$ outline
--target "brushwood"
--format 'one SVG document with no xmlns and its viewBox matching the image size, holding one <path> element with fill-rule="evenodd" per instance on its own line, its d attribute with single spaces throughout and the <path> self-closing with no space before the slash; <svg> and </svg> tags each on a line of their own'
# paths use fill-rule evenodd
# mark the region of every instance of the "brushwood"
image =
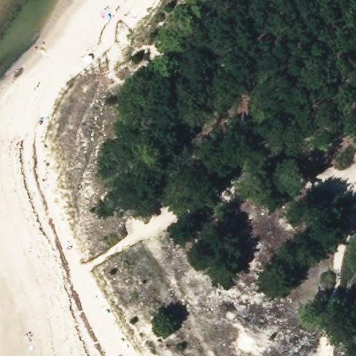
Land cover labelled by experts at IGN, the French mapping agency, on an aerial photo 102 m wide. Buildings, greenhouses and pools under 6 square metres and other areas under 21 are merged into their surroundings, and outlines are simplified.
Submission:
<svg viewBox="0 0 356 356">
<path fill-rule="evenodd" d="M 341 245 L 345 246 L 346 250 L 341 267 L 341 286 L 338 288 L 337 298 L 356 299 L 356 236 L 346 236 Z"/>
<path fill-rule="evenodd" d="M 323 174 L 318 161 L 325 153 L 335 153 L 331 168 L 337 170 L 349 168 L 356 157 L 356 114 L 332 121 L 332 127 L 325 125 L 314 129 L 313 133 L 305 138 L 302 145 L 303 154 L 296 157 L 295 163 L 307 182 L 311 181 L 311 177 Z"/>
</svg>

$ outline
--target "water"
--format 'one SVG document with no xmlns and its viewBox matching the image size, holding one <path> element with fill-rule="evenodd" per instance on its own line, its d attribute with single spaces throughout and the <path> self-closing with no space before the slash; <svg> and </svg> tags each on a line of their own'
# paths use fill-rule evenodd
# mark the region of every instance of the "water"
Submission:
<svg viewBox="0 0 356 356">
<path fill-rule="evenodd" d="M 38 42 L 40 32 L 57 0 L 0 0 L 0 82 L 6 78 L 7 71 L 13 64 Z"/>
</svg>

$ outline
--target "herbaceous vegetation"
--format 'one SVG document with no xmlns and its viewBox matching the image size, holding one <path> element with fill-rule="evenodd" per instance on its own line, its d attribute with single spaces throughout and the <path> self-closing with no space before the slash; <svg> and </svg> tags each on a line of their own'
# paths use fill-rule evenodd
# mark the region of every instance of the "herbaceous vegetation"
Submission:
<svg viewBox="0 0 356 356">
<path fill-rule="evenodd" d="M 250 261 L 249 273 L 239 273 L 238 282 L 235 282 L 232 288 L 243 295 L 260 293 L 257 284 L 264 264 L 277 254 L 277 250 L 288 239 L 293 238 L 296 232 L 303 232 L 306 229 L 306 222 L 291 225 L 286 221 L 289 207 L 286 204 L 282 204 L 275 211 L 270 211 L 266 207 L 256 206 L 252 199 L 246 199 L 241 204 L 241 210 L 248 213 L 252 224 L 252 235 L 257 236 L 260 242 L 257 243 L 253 260 Z"/>
<path fill-rule="evenodd" d="M 61 90 L 44 133 L 44 136 L 51 140 L 51 152 L 56 153 L 57 186 L 60 189 L 71 189 L 71 193 L 65 193 L 63 196 L 67 199 L 68 207 L 78 209 L 81 189 L 86 186 L 93 186 L 95 189 L 95 195 L 89 197 L 89 206 L 90 213 L 99 217 L 90 224 L 90 228 L 85 229 L 88 241 L 92 243 L 88 257 L 90 261 L 102 256 L 128 235 L 127 221 L 133 217 L 131 210 L 124 209 L 121 196 L 113 192 L 121 186 L 117 179 L 118 175 L 128 174 L 133 168 L 131 161 L 124 157 L 127 145 L 122 143 L 121 138 L 125 133 L 129 133 L 129 128 L 135 128 L 138 124 L 138 117 L 132 117 L 133 111 L 138 111 L 140 106 L 146 104 L 145 97 L 133 95 L 131 89 L 135 82 L 153 78 L 154 71 L 160 71 L 161 75 L 168 76 L 168 57 L 165 54 L 168 51 L 181 51 L 179 42 L 182 36 L 192 32 L 192 19 L 200 17 L 196 1 L 200 0 L 172 0 L 167 4 L 161 3 L 159 7 L 147 8 L 146 17 L 140 19 L 136 28 L 129 29 L 129 44 L 127 49 L 122 51 L 124 60 L 117 61 L 114 67 L 115 74 L 124 81 L 124 85 L 118 86 L 113 79 L 107 78 L 110 60 L 100 61 L 99 58 L 97 67 L 85 68 L 83 74 L 75 75 L 67 82 L 65 89 Z"/>
<path fill-rule="evenodd" d="M 330 259 L 321 260 L 316 267 L 311 267 L 307 273 L 307 280 L 293 288 L 286 298 L 268 300 L 264 295 L 259 305 L 242 300 L 239 306 L 245 306 L 245 310 L 232 311 L 239 323 L 249 328 L 253 334 L 260 334 L 264 328 L 271 325 L 278 327 L 277 331 L 270 335 L 270 341 L 278 342 L 280 345 L 277 349 L 271 348 L 270 352 L 264 350 L 264 356 L 332 356 L 334 346 L 328 341 L 327 332 L 320 325 L 307 323 L 302 316 L 305 314 L 307 303 L 316 311 L 325 311 L 327 306 L 334 309 L 334 299 L 337 298 L 338 288 L 335 286 L 334 254 Z"/>
</svg>

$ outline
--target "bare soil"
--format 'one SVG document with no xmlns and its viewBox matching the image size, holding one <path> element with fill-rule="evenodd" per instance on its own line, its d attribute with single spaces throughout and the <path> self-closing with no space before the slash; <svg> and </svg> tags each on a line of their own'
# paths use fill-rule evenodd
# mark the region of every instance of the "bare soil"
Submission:
<svg viewBox="0 0 356 356">
<path fill-rule="evenodd" d="M 93 186 L 86 186 L 81 189 L 78 209 L 68 207 L 67 199 L 63 196 L 65 193 L 71 193 L 71 189 L 60 189 L 57 186 L 56 153 L 51 152 L 51 140 L 44 136 L 44 133 L 61 90 L 65 89 L 67 82 L 75 75 L 83 74 L 85 68 L 97 67 L 99 58 L 100 61 L 110 60 L 107 78 L 113 79 L 118 86 L 124 85 L 124 81 L 115 74 L 114 67 L 117 61 L 124 60 L 122 51 L 127 49 L 129 44 L 129 29 L 136 28 L 140 19 L 146 17 L 147 8 L 159 7 L 161 3 L 167 4 L 172 0 L 57 0 L 40 32 L 38 42 L 13 64 L 7 71 L 6 78 L 0 82 L 0 356 L 264 356 L 264 350 L 270 352 L 271 348 L 277 349 L 280 345 L 278 342 L 270 341 L 270 335 L 277 331 L 278 327 L 271 325 L 264 328 L 260 334 L 253 334 L 249 328 L 239 323 L 232 311 L 245 310 L 245 306 L 239 306 L 242 300 L 259 305 L 264 295 L 260 293 L 243 295 L 232 288 L 216 288 L 211 284 L 209 275 L 196 271 L 191 266 L 186 253 L 199 243 L 196 238 L 179 246 L 167 234 L 167 229 L 159 232 L 159 242 L 164 254 L 159 260 L 154 259 L 152 252 L 146 248 L 142 239 L 139 239 L 127 249 L 111 254 L 95 267 L 90 261 L 88 257 L 92 243 L 88 241 L 85 229 L 90 228 L 90 224 L 99 217 L 90 213 L 89 206 L 89 197 L 95 195 L 95 189 Z M 174 327 L 174 334 L 168 337 L 154 335 L 153 314 L 159 310 L 168 317 Z"/>
</svg>

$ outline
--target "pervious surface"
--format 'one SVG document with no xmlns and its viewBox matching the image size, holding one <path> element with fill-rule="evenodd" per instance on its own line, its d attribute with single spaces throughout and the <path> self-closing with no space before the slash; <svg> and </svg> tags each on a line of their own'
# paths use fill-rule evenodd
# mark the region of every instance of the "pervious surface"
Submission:
<svg viewBox="0 0 356 356">
<path fill-rule="evenodd" d="M 168 207 L 163 207 L 159 216 L 153 216 L 150 220 L 133 217 L 127 221 L 128 235 L 102 256 L 90 261 L 95 267 L 111 254 L 127 249 L 139 239 L 142 239 L 146 248 L 152 252 L 154 259 L 159 260 L 164 254 L 159 242 L 159 232 L 167 229 L 172 222 L 177 222 L 177 216 L 168 210 Z"/>
<path fill-rule="evenodd" d="M 331 168 L 335 153 L 325 153 L 318 161 L 323 174 L 311 177 L 311 181 L 307 182 L 306 188 L 310 189 L 323 184 L 327 179 L 339 178 L 348 184 L 348 191 L 356 192 L 356 157 L 349 168 L 337 170 Z"/>
<path fill-rule="evenodd" d="M 341 245 L 334 254 L 335 286 L 338 288 L 341 286 L 341 267 L 346 250 L 345 246 Z"/>
</svg>

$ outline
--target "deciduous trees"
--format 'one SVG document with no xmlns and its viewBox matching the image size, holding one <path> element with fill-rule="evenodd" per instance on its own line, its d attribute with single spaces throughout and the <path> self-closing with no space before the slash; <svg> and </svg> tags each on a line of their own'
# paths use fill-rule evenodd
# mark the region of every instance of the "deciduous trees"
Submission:
<svg viewBox="0 0 356 356">
<path fill-rule="evenodd" d="M 293 288 L 307 280 L 307 273 L 311 267 L 316 267 L 321 260 L 330 259 L 334 254 L 341 245 L 346 236 L 356 236 L 356 192 L 348 191 L 348 184 L 339 178 L 327 179 L 323 184 L 310 189 L 306 188 L 307 182 L 295 163 L 296 157 L 303 154 L 302 145 L 305 138 L 313 133 L 314 129 L 325 125 L 332 127 L 332 121 L 356 114 L 356 0 L 200 0 L 196 1 L 200 17 L 192 19 L 192 32 L 182 36 L 179 42 L 181 51 L 168 51 L 165 54 L 168 57 L 168 76 L 161 75 L 160 71 L 154 71 L 153 78 L 135 82 L 131 89 L 133 95 L 145 97 L 146 104 L 140 106 L 138 111 L 133 111 L 132 117 L 138 117 L 138 124 L 135 128 L 129 128 L 129 133 L 125 133 L 121 138 L 122 143 L 127 145 L 124 157 L 131 161 L 133 168 L 128 174 L 118 175 L 117 179 L 121 186 L 113 192 L 121 196 L 124 209 L 131 210 L 133 217 L 150 220 L 153 216 L 159 216 L 163 207 L 168 207 L 168 210 L 177 216 L 177 222 L 172 222 L 167 229 L 167 234 L 179 246 L 196 238 L 199 243 L 186 253 L 191 266 L 196 271 L 209 275 L 211 284 L 216 288 L 232 288 L 235 282 L 238 282 L 239 273 L 249 273 L 250 261 L 253 260 L 257 243 L 260 242 L 257 236 L 252 235 L 252 224 L 248 213 L 241 210 L 241 204 L 246 199 L 252 199 L 256 206 L 266 207 L 270 211 L 275 211 L 282 204 L 286 204 L 289 207 L 286 221 L 291 225 L 306 222 L 306 229 L 303 232 L 296 232 L 293 238 L 288 239 L 277 250 L 277 254 L 264 264 L 257 284 L 260 293 L 264 295 L 268 300 L 286 298 Z"/>
<path fill-rule="evenodd" d="M 320 325 L 327 332 L 328 341 L 334 346 L 332 356 L 356 356 L 356 299 L 337 298 L 334 299 L 334 309 L 327 306 L 325 311 L 316 311 L 307 303 L 305 314 L 302 316 L 307 323 Z"/>
<path fill-rule="evenodd" d="M 174 334 L 174 327 L 168 317 L 159 310 L 153 314 L 154 335 L 168 337 Z"/>
</svg>

